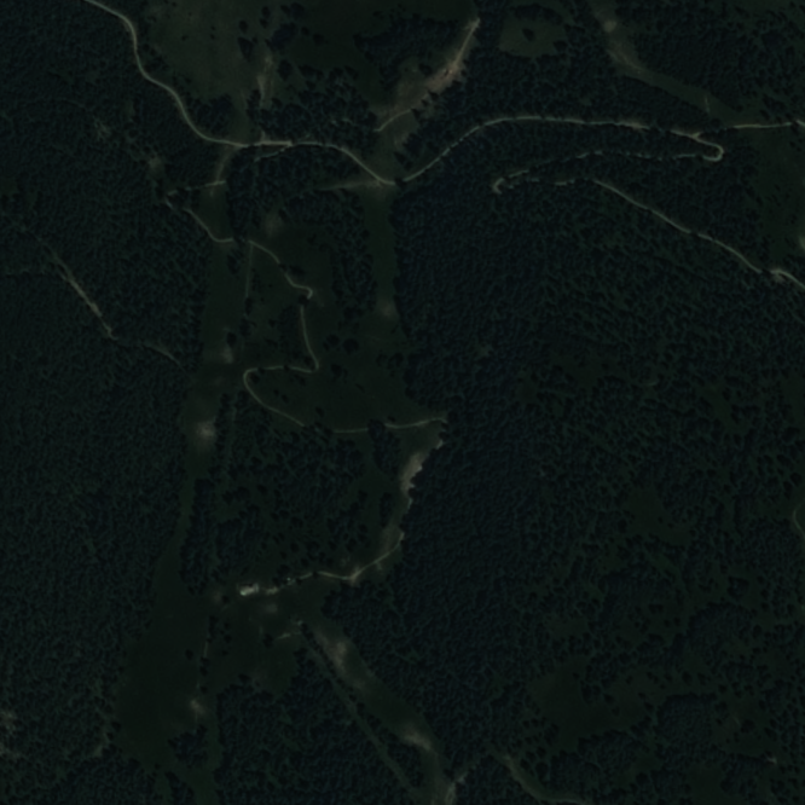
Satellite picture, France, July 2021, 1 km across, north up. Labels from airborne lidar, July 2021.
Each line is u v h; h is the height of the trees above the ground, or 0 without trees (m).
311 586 0
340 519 20
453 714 13
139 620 23
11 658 20
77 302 18
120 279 23
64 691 17
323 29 0
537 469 11
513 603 14
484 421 22
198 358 22
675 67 8
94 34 14
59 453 18
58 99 11
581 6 14
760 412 19
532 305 16
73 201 20
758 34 14
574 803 0
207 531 26
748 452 24
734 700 0
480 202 26
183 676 0
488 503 22
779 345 19
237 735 22
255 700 24
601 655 8
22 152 20
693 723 21
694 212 17
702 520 13
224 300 0
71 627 24
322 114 27
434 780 0
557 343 17
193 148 18
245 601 0
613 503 22
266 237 0
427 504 19
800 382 0
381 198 0
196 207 10
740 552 21
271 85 0
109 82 15
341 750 11
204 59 0
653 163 15
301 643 0
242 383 0
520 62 20
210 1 0
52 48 11
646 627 15
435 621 19
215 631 17
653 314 20
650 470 25
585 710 0
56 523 18
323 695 23
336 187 0
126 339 29
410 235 25
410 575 22
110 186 15
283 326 9
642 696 11
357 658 0
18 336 25
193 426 0
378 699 0
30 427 23
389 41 24
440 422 0
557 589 14
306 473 20
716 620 23
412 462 0
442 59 0
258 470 24
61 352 20
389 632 18
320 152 10
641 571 16
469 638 19
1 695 17
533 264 17
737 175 18
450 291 16
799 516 0
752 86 15
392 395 0
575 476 13
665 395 12
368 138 13
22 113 16
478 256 16
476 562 23
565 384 20
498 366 15
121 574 23
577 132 6
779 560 13
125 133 13
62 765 20
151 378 23
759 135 0
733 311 26
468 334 17
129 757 0
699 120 9
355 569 0
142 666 0
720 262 7
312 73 24
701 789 0
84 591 22
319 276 0
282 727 20
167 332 24
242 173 11
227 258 0
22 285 23
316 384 0
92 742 21
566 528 18
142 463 20
